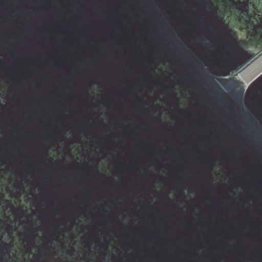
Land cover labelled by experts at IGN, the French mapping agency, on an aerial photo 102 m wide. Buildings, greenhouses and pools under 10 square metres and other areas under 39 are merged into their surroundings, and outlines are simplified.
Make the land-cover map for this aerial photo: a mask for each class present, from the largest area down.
<instances>
[{"label":"deciduous trees","instance_id":"1","mask_svg":"<svg viewBox=\"0 0 262 262\"><path fill-rule=\"evenodd\" d=\"M158 33L155 27L150 24L144 10L134 0H0V262H262V157L257 149L223 123L218 114L210 115L204 112L205 104L196 94V87L189 84V80L184 77V71L178 69L179 63L175 55L157 44ZM217 14L236 33L238 39H242L239 45L252 53L262 47V0H211ZM248 110L262 124V75L249 86L245 96Z\"/></svg>","mask_w":262,"mask_h":262},{"label":"impervious surface","instance_id":"2","mask_svg":"<svg viewBox=\"0 0 262 262\"><path fill-rule=\"evenodd\" d=\"M144 10L150 24L155 27L158 33L157 44L175 55L179 63L178 69L184 71V77L189 80V84L196 87V94L205 104L204 112L210 115L218 114L223 123L257 149L262 157V124L248 110L245 96L249 86L262 75V47L252 53L251 59L229 75L212 74L207 65L181 41L169 23L167 12H162L155 0H134Z\"/></svg>","mask_w":262,"mask_h":262},{"label":"water","instance_id":"3","mask_svg":"<svg viewBox=\"0 0 262 262\"><path fill-rule=\"evenodd\" d=\"M162 12H167L169 23L181 41L207 65L212 74L229 75L251 59L252 53L239 45L242 39H238L236 33L217 14L211 0H155Z\"/></svg>","mask_w":262,"mask_h":262}]
</instances>
